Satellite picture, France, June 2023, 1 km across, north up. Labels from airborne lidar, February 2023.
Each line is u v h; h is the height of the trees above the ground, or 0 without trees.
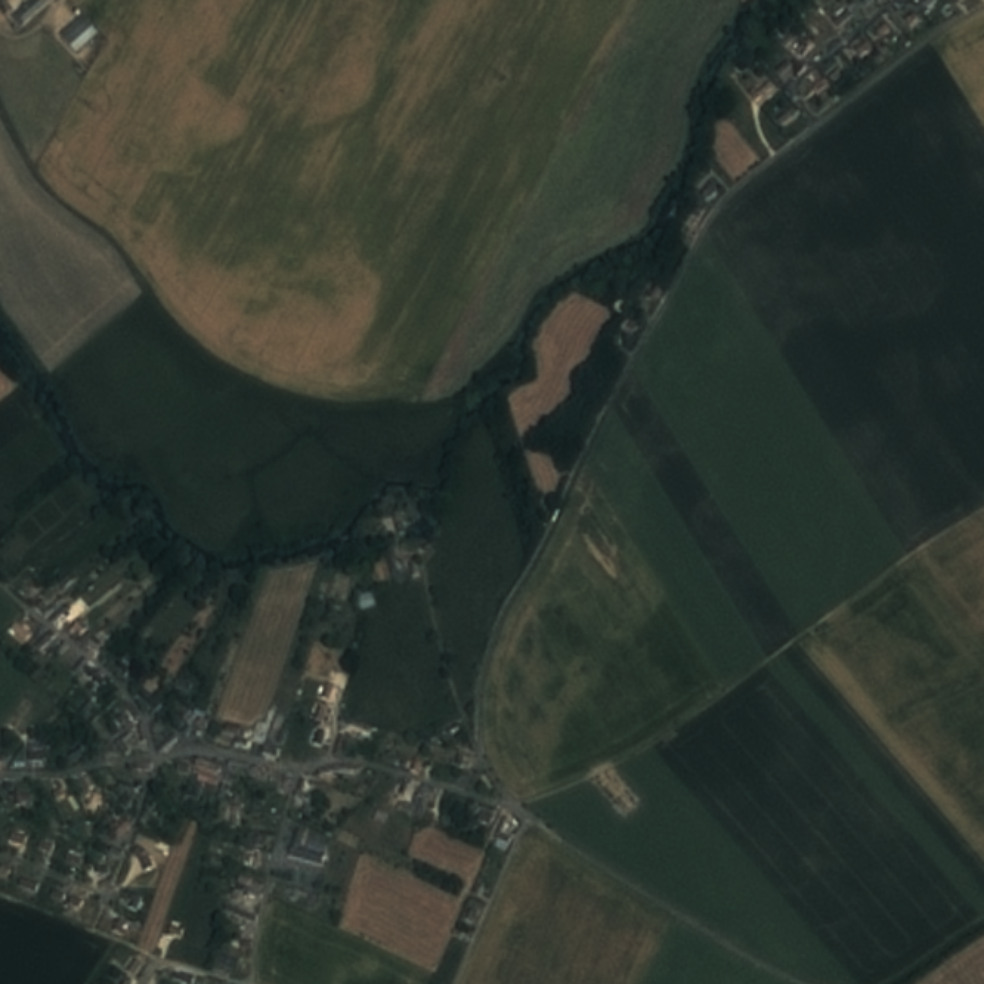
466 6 0
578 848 0
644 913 0
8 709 0
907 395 0
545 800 0
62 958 0
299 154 0
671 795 0
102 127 0
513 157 0
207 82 0
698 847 0
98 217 0
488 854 9
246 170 0
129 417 0
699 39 0
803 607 0
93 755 7
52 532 0
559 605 0
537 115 0
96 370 0
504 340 0
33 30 0
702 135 20
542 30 0
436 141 0
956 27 0
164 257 0
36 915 0
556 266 0
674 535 0
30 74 0
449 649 8
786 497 0
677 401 0
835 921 0
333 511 0
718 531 0
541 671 0
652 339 0
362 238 0
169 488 0
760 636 0
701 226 0
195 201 0
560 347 0
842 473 0
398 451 0
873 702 0
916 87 0
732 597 0
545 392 0
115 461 0
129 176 0
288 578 0
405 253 0
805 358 0
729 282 0
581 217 0
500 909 0
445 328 0
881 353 0
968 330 0
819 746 0
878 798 0
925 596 0
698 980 0
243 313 0
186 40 0
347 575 12
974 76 0
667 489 0
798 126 0
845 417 0
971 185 0
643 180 0
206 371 0
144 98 0
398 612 0
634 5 0
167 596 17
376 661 0
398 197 0
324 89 0
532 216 0
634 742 0
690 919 0
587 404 15
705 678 0
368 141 0
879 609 0
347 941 0
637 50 0
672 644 0
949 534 0
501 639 0
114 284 0
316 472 0
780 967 0
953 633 0
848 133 0
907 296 0
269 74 0
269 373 0
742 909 0
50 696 0
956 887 0
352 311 0
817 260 0
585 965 0
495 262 0
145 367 0
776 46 0
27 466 0
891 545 0
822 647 0
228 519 0
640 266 18
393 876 0
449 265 0
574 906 0
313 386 0
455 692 0
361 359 0
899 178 0
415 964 0
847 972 0
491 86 0
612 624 0
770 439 0
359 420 0
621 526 0
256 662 0
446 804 8
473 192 0
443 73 0
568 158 0
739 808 0
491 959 0
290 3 0
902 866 0
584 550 0
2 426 0
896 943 0
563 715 0
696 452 0
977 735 0
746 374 0
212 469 0
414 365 0
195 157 0
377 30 0
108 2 0
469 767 0
